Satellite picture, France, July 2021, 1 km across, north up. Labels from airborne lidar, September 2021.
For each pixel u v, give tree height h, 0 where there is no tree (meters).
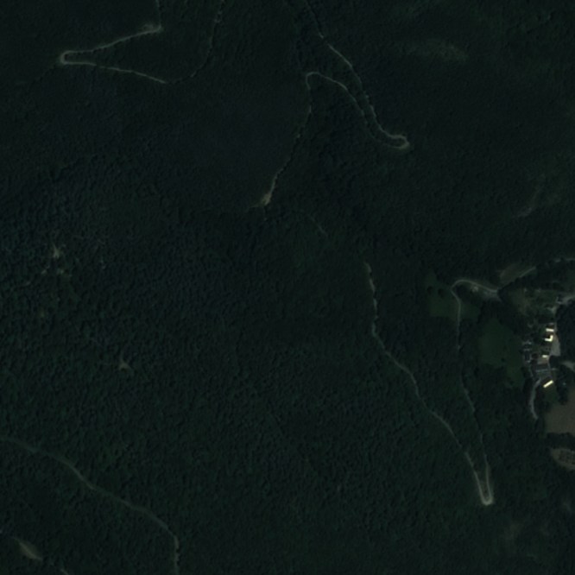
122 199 25
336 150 28
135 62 12
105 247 25
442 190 18
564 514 8
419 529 27
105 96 20
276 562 18
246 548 17
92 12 17
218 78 21
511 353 0
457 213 23
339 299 30
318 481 7
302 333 16
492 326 0
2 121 18
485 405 18
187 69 14
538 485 8
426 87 14
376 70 17
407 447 26
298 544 22
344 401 22
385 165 20
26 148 22
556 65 18
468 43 12
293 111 17
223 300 30
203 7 16
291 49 24
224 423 25
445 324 23
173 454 25
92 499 21
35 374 23
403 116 18
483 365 20
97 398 15
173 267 23
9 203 24
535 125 16
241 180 19
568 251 11
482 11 14
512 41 22
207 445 26
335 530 25
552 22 14
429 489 21
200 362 13
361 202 9
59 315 32
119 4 19
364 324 22
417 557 16
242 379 27
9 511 21
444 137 18
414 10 6
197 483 20
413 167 16
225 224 24
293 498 22
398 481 23
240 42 20
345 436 12
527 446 19
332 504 23
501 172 20
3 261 24
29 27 17
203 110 15
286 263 21
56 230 14
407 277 22
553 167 9
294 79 23
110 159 11
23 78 14
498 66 10
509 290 11
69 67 10
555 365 10
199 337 16
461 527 20
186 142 18
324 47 18
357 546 18
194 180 20
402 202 11
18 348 29
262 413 21
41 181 24
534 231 13
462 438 18
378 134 14
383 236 28
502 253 12
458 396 19
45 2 16
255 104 17
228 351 15
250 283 22
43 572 15
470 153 20
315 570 21
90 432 17
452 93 17
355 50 18
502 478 15
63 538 17
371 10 18
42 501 17
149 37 8
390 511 17
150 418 14
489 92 19
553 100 12
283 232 24
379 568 13
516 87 16
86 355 28
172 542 20
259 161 16
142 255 26
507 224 14
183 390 27
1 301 17
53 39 20
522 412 9
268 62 19
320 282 21
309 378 18
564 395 18
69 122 19
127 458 28
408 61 17
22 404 22
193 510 24
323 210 25
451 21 14
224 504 26
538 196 7
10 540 8
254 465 26
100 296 17
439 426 20
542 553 6
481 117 20
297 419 13
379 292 17
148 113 18
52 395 25
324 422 19
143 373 9
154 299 18
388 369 27
